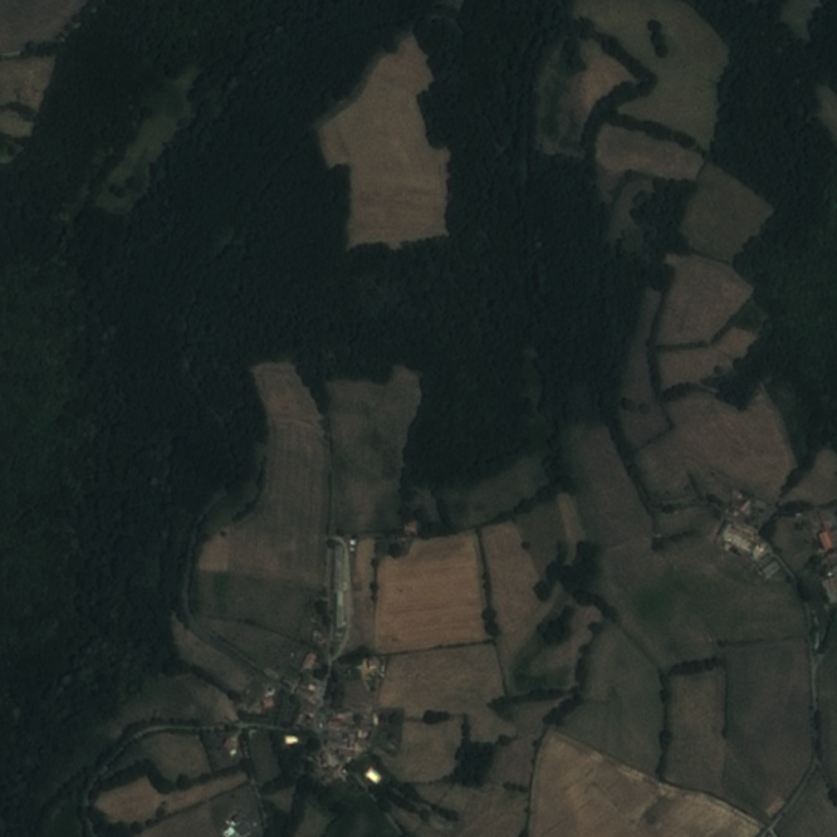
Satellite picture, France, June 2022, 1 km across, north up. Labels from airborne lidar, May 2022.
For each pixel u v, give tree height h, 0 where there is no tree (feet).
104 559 51
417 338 43
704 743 0
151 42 73
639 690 0
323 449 0
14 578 48
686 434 0
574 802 0
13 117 0
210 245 79
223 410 47
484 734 0
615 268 60
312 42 101
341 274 48
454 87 62
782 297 37
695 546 0
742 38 44
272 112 71
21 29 0
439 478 48
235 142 64
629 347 35
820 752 33
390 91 0
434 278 21
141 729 28
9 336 41
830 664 0
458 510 0
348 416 0
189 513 43
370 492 0
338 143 0
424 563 0
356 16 68
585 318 31
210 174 68
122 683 51
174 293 67
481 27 62
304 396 0
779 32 79
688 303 0
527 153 49
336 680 31
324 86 36
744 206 0
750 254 46
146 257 85
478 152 61
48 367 49
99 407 84
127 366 73
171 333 56
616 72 0
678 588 0
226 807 0
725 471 0
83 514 69
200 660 0
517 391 80
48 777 56
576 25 40
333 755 0
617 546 0
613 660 0
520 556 0
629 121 51
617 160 0
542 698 43
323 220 66
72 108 54
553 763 0
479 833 0
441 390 57
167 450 42
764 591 0
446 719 35
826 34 63
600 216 38
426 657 0
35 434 37
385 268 23
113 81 39
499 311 68
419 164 0
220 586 0
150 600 56
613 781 0
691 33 0
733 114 49
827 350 45
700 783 0
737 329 0
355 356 39
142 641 64
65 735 57
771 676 0
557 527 0
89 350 87
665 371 0
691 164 0
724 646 34
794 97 73
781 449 0
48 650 54
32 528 60
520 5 50
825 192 37
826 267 37
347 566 0
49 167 38
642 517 0
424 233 0
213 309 59
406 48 0
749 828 0
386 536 23
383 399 0
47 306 58
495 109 71
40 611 61
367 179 0
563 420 35
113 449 104
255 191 63
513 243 70
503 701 30
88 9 36
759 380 30
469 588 0
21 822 49
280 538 0
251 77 74
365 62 60
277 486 0
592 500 0
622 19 0
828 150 74
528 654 0
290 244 64
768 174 50
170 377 62
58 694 65
